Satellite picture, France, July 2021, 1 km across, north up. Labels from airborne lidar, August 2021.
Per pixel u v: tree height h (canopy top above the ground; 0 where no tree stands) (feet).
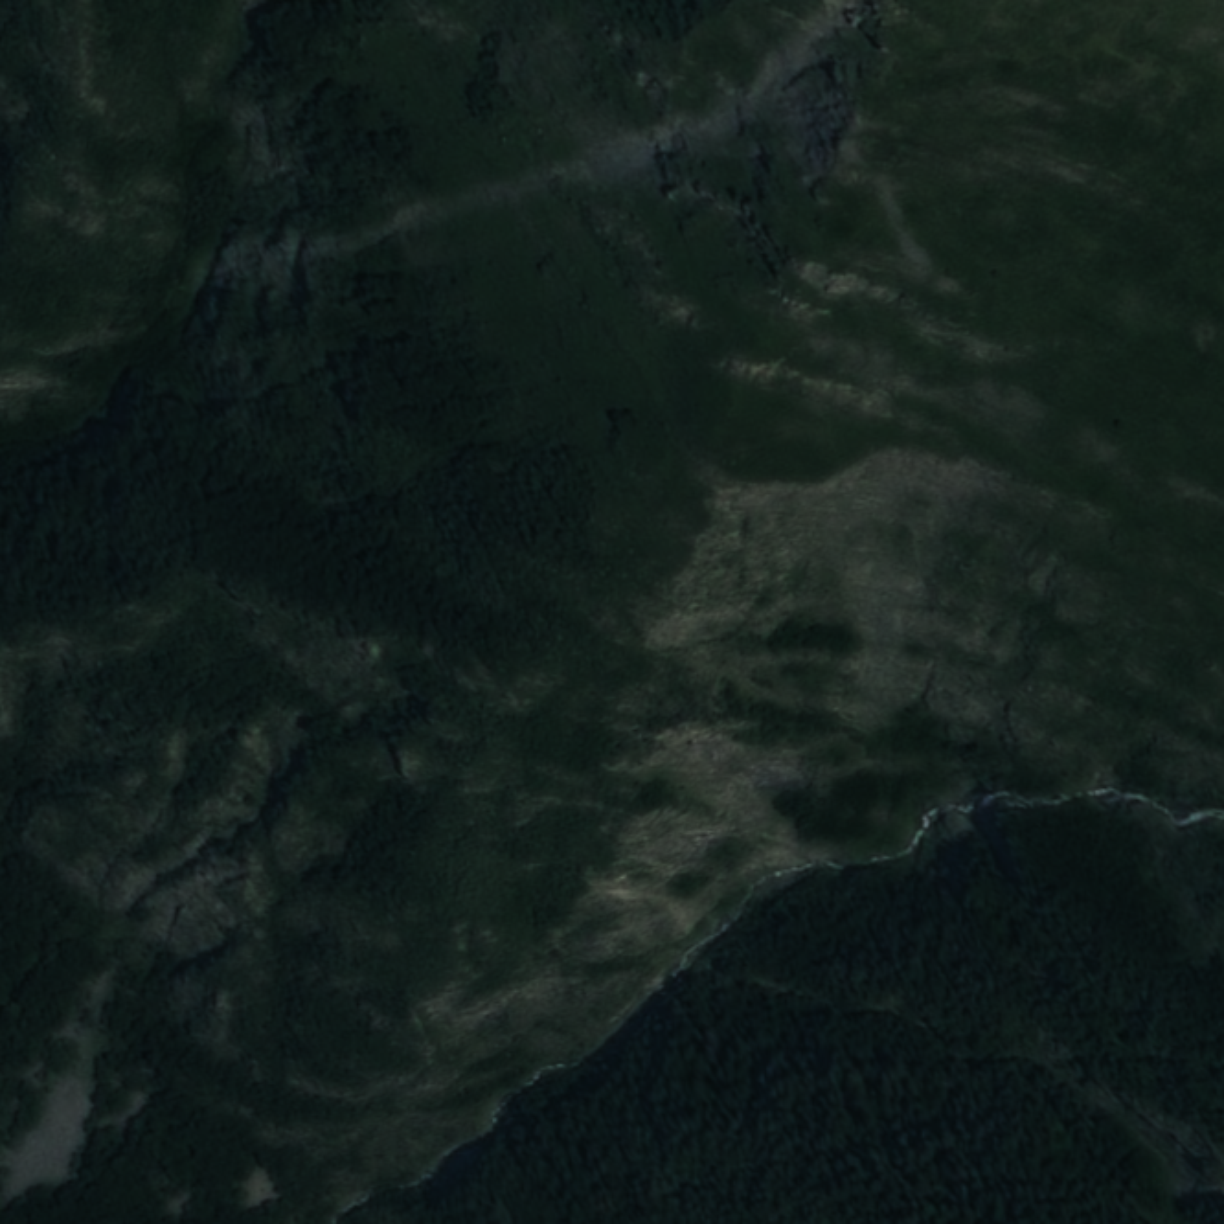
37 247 26
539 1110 39
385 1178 28
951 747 45
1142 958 43
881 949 58
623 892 0
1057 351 0
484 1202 19
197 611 32
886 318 0
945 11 0
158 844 26
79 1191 63
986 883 52
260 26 96
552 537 31
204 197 48
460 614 42
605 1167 81
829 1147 129
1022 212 0
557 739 28
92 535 65
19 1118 41
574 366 0
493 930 30
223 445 43
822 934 62
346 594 79
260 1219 58
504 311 0
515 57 0
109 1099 51
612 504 0
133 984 38
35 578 66
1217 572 0
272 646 22
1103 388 0
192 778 19
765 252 37
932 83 0
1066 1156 41
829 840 22
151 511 46
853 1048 83
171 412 61
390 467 21
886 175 0
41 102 35
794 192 0
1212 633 0
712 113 0
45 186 23
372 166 31
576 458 36
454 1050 19
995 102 0
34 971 34
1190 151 0
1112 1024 47
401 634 35
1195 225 0
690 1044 102
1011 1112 56
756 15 0
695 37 0
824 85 0
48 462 30
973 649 0
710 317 0
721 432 0
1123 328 0
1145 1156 35
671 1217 89
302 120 22
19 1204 55
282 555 88
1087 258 0
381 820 63
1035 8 0
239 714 48
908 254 0
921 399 0
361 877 43
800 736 26
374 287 61
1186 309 0
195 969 31
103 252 24
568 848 28
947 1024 44
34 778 36
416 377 53
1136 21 0
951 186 0
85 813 20
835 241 0
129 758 25
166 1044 68
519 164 0
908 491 0
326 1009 51
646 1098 51
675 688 19
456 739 24
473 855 46
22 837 30
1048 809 21
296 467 30
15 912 44
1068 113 0
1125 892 19
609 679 19
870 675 0
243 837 36
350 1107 25
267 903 28
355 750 21
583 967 20
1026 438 0
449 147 0
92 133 24
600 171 0
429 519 29
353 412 48
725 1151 41
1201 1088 33
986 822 0
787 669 20
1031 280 0
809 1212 35
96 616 45
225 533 87
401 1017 28
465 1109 30
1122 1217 22
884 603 0
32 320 28
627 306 0
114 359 23
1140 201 0
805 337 0
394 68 0
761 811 0
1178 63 0
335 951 26
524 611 40
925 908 39
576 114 0
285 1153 37
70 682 31
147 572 62
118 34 26
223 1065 34
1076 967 36
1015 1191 64
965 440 0
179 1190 32
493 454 44
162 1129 57
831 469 0
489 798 36
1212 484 0
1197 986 36
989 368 0
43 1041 21
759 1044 63
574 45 0
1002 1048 35
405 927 24
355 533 50
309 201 25
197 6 30
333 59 29
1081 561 0
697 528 0
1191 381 0
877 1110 20
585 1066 30
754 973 27
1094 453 0
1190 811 0
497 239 0
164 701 66
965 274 0
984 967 45
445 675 24
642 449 0
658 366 0
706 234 0
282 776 22
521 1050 29
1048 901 45
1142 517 0
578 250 0
